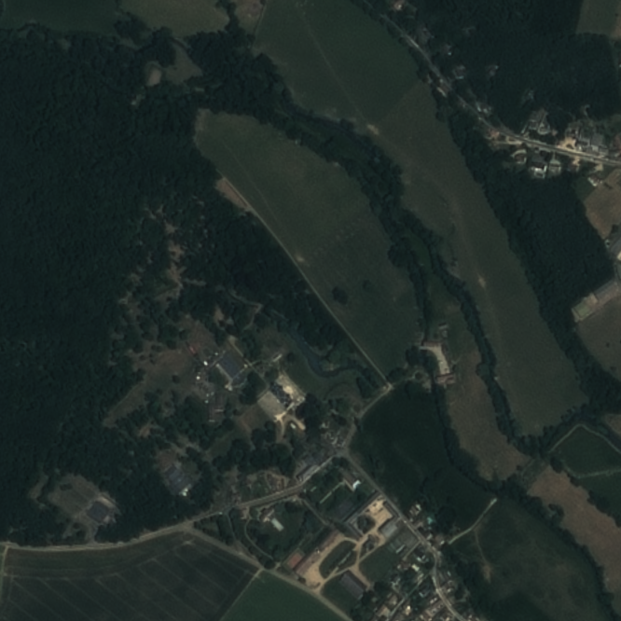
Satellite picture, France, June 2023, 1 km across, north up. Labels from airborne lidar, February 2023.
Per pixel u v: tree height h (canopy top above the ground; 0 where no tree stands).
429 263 0
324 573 0
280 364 0
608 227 0
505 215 16
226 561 0
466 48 26
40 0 0
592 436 0
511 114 16
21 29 0
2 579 0
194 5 0
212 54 32
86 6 0
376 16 17
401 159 0
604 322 0
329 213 0
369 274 0
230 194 0
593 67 21
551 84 22
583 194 0
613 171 0
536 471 0
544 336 0
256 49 0
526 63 19
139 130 25
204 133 0
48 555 0
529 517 0
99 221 20
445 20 12
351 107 0
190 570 0
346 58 0
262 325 26
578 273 21
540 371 0
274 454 16
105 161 14
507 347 0
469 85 11
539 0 21
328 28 0
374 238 0
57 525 12
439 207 0
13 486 23
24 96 25
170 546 0
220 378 0
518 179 20
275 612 0
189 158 24
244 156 0
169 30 14
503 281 0
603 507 26
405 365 0
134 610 0
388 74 0
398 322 0
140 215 18
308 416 21
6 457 24
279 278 31
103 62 24
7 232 25
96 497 0
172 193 15
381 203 6
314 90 0
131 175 19
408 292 0
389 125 0
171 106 28
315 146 24
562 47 15
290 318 18
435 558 0
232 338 24
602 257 20
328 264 0
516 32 20
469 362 0
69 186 20
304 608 0
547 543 0
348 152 0
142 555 0
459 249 0
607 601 22
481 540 0
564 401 0
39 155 20
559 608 0
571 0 16
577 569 0
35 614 0
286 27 0
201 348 0
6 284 23
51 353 23
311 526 19
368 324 0
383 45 0
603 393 17
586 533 0
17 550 0
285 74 0
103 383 18
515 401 0
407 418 0
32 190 18
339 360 25
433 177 0
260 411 0
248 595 0
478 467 34
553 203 21
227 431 16
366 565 0
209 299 23
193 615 0
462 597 9
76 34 8
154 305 27
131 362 12
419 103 0
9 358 20
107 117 22
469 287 14
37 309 19
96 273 13
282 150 0
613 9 0
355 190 0
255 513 13
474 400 0
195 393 0
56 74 24
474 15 18
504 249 0
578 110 20
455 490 0
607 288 0
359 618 12
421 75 16
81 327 29
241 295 21
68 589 0
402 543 0
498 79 16
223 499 0
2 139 24
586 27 0
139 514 22
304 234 0
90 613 0
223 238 23
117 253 24
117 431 12
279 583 0
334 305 0
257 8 0
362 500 14
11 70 24
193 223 20
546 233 23
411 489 0
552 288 19
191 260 10
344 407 26
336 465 13
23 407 10
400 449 0
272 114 12
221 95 20
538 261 22
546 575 0
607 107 19
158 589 0
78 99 16
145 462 18
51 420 25
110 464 24
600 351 0
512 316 0
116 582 0
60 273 16
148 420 20
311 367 0
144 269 25
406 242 16
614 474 0
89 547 0
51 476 17
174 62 32
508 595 0
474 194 0
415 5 18
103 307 26
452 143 0
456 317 0
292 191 0
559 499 0
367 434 0
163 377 0
